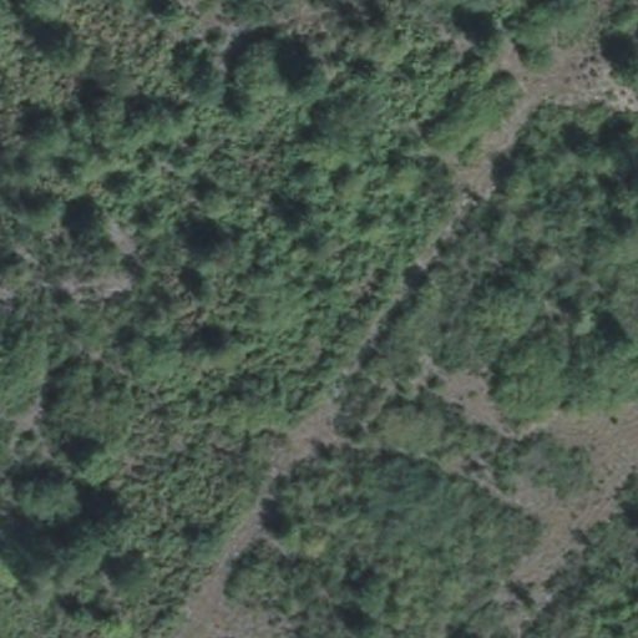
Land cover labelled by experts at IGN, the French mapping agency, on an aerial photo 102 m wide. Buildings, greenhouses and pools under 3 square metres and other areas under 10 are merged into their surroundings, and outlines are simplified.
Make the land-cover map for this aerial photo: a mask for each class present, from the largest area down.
<instances>
[{"label":"brushwood","instance_id":"1","mask_svg":"<svg viewBox=\"0 0 638 638\"><path fill-rule=\"evenodd\" d=\"M601 40L603 57L611 65L613 77H618L638 95V0H0V638H169L187 626V613L179 611V606H184L187 601V593L202 591V581L212 576L214 563L227 553L229 543L237 538L244 521L257 511L262 513V528L257 531L247 551L232 558L224 581V598L232 606L242 603V608L247 611H264L269 626H277L279 621H292V638H638V474H628L626 483L616 488V503L621 508L618 513H611L606 521H598L588 528L573 531V538L583 546V551H566L563 566L546 581L518 583L513 578V566L523 556H531L538 546L541 521L521 506L506 503L508 493H516V483L526 481H531V486L553 488L558 501L568 493L601 491V486L593 483L591 456L583 446H563L548 431H536L526 439H503L486 424L466 421L464 406L444 401L439 396V386L449 381L454 371L461 369L471 376L486 379L488 396L496 404L501 421L508 426H523L526 421L546 424L556 409H573L581 411V419H596L623 414L626 409L638 404V227H631V217L621 212V197L626 192H638V112L613 110L603 102H538L528 112L523 127L518 130L513 147L498 152L491 162V199L481 197L469 184H454L444 160L459 155L461 164L469 167L471 155L481 145V137L498 132L501 122L521 100V87L513 85V75L501 70V60L508 50H516L521 62L528 65L536 75H543L556 65L551 55L556 50L573 47L576 42H588L593 47ZM12 464L57 466L62 471V486L77 493L80 506L115 503L120 498L127 521L140 526L145 536H140L132 543V548L122 556H107L92 573L82 576L77 583L67 581L65 586H55L52 581H45V571H50L62 558L72 563L75 548L62 551L57 543H40V538L45 536V526L50 521L27 516L22 511V493L12 491L10 476L5 474Z\"/></svg>","mask_w":638,"mask_h":638},{"label":"herbaceous vegetation","instance_id":"2","mask_svg":"<svg viewBox=\"0 0 638 638\"><path fill-rule=\"evenodd\" d=\"M556 65L543 75H536L528 65L521 62L516 50H508L501 60V70L513 75V85L521 87V100L501 122L498 132L481 137V145L471 155L469 167L461 164L459 155L444 160L454 184H469L481 197L491 199V162L498 152L513 147L518 130L523 127L528 112L538 102H603L613 110L638 112V95L618 77H613L611 65L603 57L601 40L593 47L588 42H576L573 47L556 50L551 55ZM439 396L444 401L464 406L466 421L486 424L503 439H526L536 431H548L563 446H583L591 456L593 483L601 486V491L568 493L558 501L553 488L531 486V481H526L516 483V493H508L506 503L521 506L541 521L538 546L531 556H523L513 566V578L518 583L546 581L563 566L566 551H583V546L573 538V531L588 528L598 521H606L611 513H618L621 508L616 503V488L626 483L628 474H638V404L626 409L623 414L596 419H581V411L573 409H556L546 424L526 421L523 426H508L501 421L496 404L488 396L486 379L471 376L461 369L454 371L449 381L439 386ZM262 528V513L257 511L244 521L237 538L229 543L227 553L214 563L212 576L202 581V591L187 593V601L184 606H179V611L187 613V626L169 638H292V621H279L277 626H269L264 611H247L242 608V603L232 606L224 598V581L232 558L247 551L257 531Z\"/></svg>","mask_w":638,"mask_h":638},{"label":"deciduous trees","instance_id":"3","mask_svg":"<svg viewBox=\"0 0 638 638\"><path fill-rule=\"evenodd\" d=\"M621 212L631 217V227H638V192H626L621 197ZM5 474L10 476L12 491L22 493V511L27 516L50 521L45 526V536L40 538V543H57L62 551L75 548L72 563L62 558L50 571H45V581H52L55 586H65L67 581L77 583L82 576L92 573L107 556H122L132 548V543L140 536H145L140 526L127 521L120 498L115 503L80 506L77 493L62 486V471L57 466L12 464Z\"/></svg>","mask_w":638,"mask_h":638}]
</instances>
